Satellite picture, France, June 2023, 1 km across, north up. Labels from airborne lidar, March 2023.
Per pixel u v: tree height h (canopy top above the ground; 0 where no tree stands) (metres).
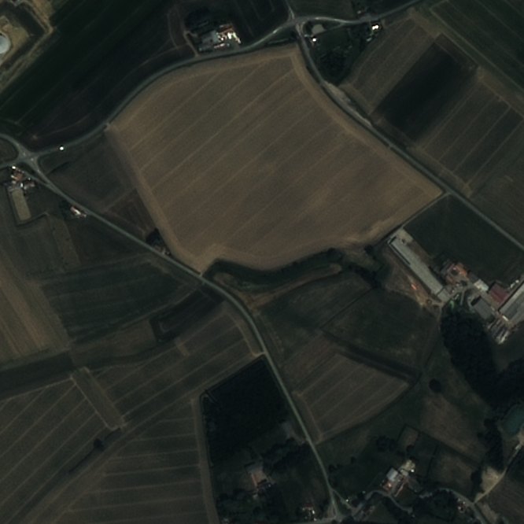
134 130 0
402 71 0
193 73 0
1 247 0
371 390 0
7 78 0
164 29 0
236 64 0
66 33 0
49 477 0
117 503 0
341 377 0
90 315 0
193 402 0
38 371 0
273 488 17
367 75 0
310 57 0
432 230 0
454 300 0
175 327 0
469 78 0
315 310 0
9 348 0
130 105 0
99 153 0
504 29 0
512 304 0
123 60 0
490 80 0
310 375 0
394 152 0
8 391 0
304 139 0
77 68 0
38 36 0
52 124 0
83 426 0
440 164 0
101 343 0
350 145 0
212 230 0
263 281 0
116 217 0
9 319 0
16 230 0
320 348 0
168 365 0
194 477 0
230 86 0
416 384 0
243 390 12
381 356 0
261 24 0
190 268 0
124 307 0
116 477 0
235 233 0
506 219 0
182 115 0
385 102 0
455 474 0
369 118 0
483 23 0
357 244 0
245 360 0
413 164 0
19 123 0
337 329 0
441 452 0
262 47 0
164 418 0
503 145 0
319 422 0
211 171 0
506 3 0
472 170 0
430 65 0
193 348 0
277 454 15
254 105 0
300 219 0
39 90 0
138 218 0
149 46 0
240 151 0
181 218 0
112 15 0
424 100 0
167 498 0
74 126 0
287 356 0
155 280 0
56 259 0
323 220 0
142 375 0
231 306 0
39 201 0
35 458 0
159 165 0
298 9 0
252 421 11
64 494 0
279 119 0
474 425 0
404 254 0
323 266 0
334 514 0
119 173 0
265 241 0
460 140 0
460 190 0
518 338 0
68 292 0
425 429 0
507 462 0
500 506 0
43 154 0
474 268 0
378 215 0
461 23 0
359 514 0
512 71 0
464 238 0
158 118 0
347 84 0
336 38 0
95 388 0
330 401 0
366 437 0
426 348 0
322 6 0
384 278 0
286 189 0
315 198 0
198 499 0
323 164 0
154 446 0
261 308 0
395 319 0
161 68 0
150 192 0
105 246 0
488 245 0
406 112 0
